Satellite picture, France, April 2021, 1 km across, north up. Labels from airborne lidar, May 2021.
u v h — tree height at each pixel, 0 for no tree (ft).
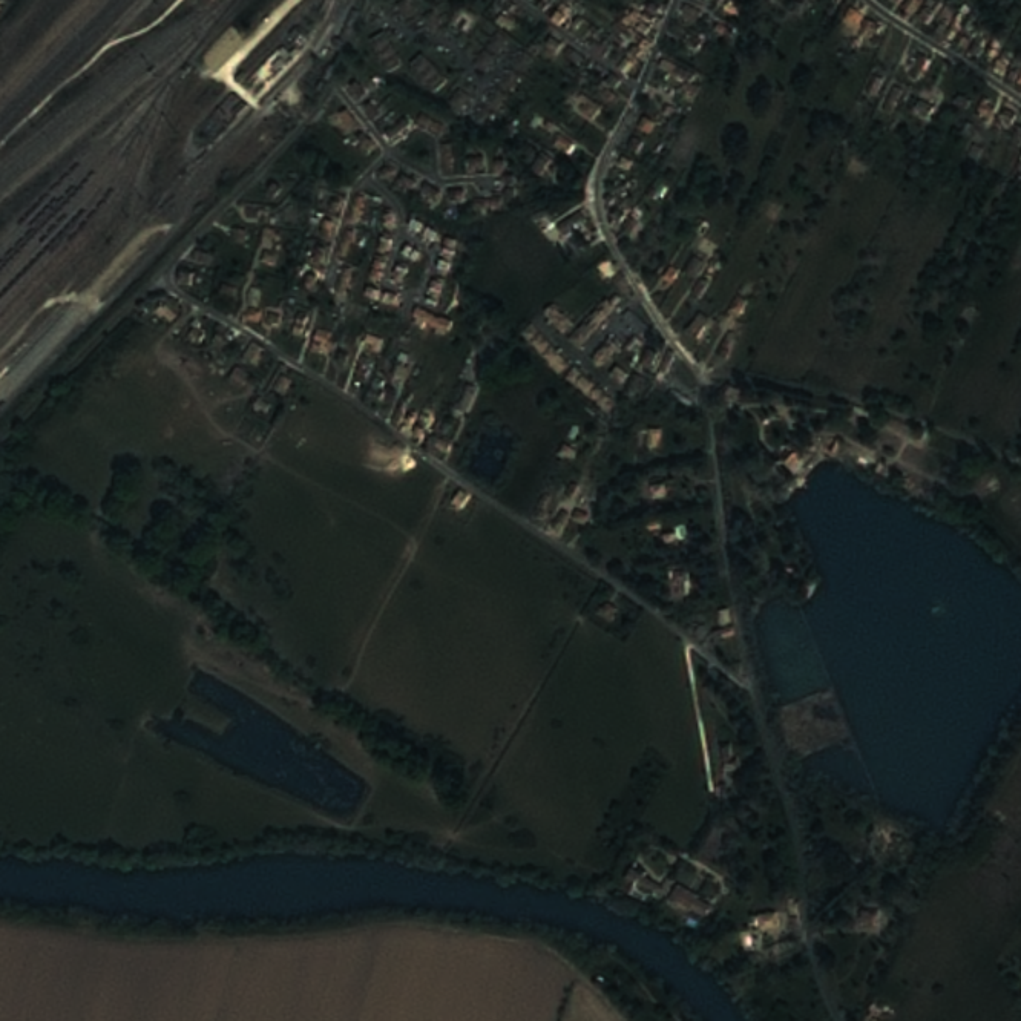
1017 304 0
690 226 33
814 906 28
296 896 0
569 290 0
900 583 0
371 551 0
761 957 43
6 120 0
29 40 0
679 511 38
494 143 65
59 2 0
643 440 0
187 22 0
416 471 0
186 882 0
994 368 0
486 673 0
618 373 0
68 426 0
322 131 0
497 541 0
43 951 0
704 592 45
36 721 0
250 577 45
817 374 0
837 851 52
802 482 0
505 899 0
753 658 34
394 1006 0
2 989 0
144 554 70
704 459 35
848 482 0
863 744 0
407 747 83
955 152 0
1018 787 0
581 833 0
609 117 19
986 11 23
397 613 0
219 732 0
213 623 29
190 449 0
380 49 0
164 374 0
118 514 52
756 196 26
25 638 0
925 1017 0
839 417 45
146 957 0
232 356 37
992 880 0
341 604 0
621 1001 33
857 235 0
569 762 0
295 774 0
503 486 23
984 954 0
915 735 0
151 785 0
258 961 0
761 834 39
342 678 0
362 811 0
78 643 0
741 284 0
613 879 23
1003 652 0
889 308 0
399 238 0
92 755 0
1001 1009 0
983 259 56
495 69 0
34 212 0
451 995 0
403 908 30
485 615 0
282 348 0
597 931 0
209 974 0
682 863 26
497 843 0
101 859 28
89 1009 0
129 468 51
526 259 0
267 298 0
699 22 22
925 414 0
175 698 0
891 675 0
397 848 26
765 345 0
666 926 23
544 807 0
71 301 0
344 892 0
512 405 0
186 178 0
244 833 0
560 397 47
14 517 63
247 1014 0
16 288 0
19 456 33
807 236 62
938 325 55
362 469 0
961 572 0
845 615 0
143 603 0
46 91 0
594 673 0
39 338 0
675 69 0
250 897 0
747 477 52
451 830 0
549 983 0
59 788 0
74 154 0
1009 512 0
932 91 24
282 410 30
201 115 0
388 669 0
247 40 0
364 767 0
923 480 0
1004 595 0
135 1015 0
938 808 0
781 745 31
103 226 0
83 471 0
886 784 0
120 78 0
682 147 0
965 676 0
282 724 0
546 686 0
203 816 0
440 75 0
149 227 0
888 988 0
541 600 0
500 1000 0
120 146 0
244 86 0
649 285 0
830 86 0
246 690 0
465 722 0
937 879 31
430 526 0
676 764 0
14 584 0
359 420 0
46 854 24
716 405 84
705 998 0
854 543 0
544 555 0
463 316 33
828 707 0
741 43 25
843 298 40
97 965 0
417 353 0
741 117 0
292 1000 0
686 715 0
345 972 0
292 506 0
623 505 37
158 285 0
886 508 0
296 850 39
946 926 0
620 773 0
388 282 0
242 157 0
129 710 0
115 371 0
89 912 34
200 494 41
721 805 41
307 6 0
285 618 0
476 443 22
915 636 0
